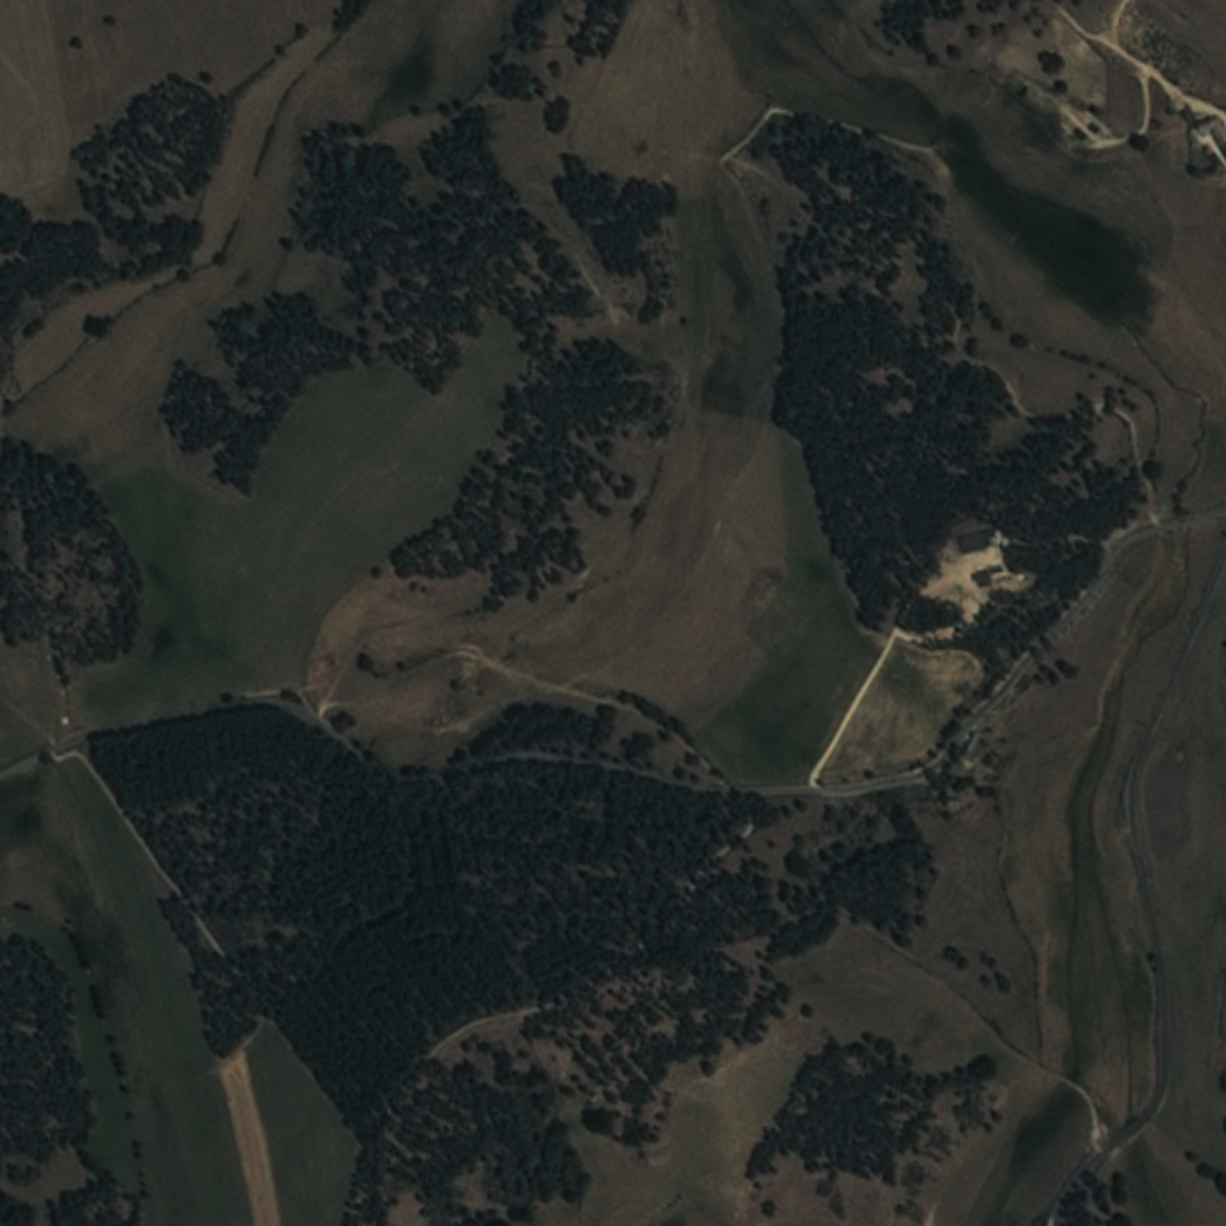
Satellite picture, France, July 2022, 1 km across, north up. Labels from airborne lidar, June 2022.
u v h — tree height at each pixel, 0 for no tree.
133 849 0
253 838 18
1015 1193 0
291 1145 0
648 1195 0
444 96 0
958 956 13
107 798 0
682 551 0
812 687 0
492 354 0
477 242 21
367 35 0
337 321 0
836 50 0
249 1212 0
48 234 19
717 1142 0
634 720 0
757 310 0
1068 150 0
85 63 0
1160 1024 0
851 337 20
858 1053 15
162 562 0
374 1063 14
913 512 18
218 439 18
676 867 18
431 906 17
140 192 16
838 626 0
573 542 15
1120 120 0
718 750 0
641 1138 9
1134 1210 0
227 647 0
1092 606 0
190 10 0
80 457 0
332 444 0
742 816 18
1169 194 0
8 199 14
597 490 7
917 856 19
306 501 0
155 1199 0
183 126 20
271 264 0
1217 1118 0
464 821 22
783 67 0
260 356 19
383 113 0
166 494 0
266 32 0
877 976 0
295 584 0
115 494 0
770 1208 11
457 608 0
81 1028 0
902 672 0
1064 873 0
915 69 0
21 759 0
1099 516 14
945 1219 0
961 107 0
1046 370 0
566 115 16
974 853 0
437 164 20
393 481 0
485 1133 16
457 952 16
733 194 0
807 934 16
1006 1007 0
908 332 18
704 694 0
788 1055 0
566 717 14
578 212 17
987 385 18
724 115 0
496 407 0
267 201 0
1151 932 0
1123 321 0
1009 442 0
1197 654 0
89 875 0
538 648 0
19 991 19
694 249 0
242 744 19
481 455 8
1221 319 0
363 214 20
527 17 10
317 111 0
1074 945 0
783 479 0
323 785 11
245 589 0
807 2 0
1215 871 0
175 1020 0
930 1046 0
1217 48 0
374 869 22
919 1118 11
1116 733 0
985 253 0
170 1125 0
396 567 12
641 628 0
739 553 0
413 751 0
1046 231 0
